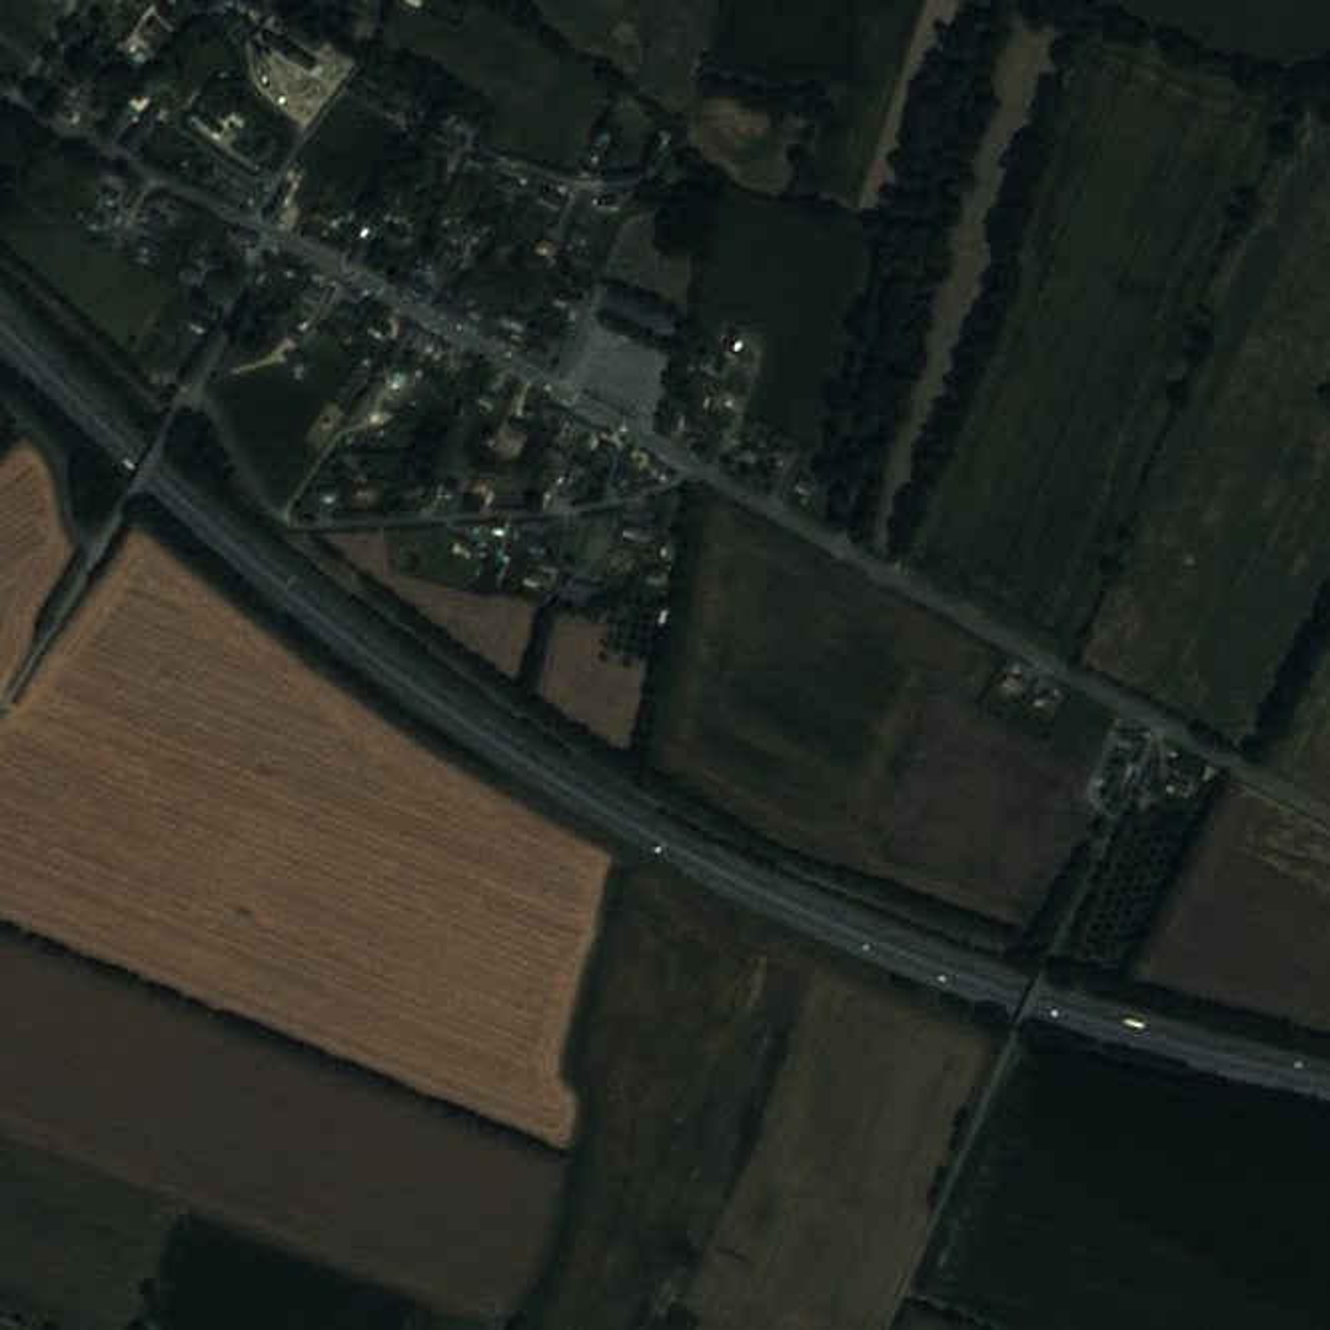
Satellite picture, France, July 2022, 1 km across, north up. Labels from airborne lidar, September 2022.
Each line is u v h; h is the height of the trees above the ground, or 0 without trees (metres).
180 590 0
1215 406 0
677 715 0
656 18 0
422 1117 0
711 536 0
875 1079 0
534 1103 0
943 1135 0
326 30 14
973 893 0
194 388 0
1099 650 0
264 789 0
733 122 0
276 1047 10
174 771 0
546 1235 0
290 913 0
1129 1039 0
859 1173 0
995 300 24
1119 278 0
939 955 0
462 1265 0
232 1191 0
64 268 0
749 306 0
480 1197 0
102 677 0
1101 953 7
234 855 0
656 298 10
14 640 0
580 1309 0
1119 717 0
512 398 0
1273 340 0
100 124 7
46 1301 0
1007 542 0
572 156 0
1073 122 0
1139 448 0
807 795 0
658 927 0
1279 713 22
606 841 0
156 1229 0
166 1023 0
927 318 28
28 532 0
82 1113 0
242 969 0
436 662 6
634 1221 0
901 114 0
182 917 0
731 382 0
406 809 0
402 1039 0
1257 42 0
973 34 26
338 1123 0
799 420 0
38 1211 0
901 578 0
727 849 10
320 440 0
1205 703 0
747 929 0
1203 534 0
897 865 0
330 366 0
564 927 0
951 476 0
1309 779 0
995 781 0
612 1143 0
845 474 27
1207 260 0
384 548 0
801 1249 0
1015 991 0
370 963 0
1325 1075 0
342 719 0
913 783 0
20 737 0
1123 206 0
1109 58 0
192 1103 0
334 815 0
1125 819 7
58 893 0
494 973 0
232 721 0
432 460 17
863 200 0
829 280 0
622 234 0
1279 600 0
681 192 15
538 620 11
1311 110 10
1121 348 0
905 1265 0
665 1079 0
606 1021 0
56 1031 0
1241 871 0
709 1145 0
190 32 7
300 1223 0
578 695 0
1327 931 0
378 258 15
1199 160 0
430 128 11
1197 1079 15
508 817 0
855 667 0
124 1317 0
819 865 10
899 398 30
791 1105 0
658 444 0
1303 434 0
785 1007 0
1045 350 0
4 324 0
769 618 0
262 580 0
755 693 0
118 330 0
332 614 0
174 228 0
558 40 13
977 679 0
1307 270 0
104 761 0
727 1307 0
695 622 0
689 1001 0
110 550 8
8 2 0
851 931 0
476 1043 0
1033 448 0
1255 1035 10
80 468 12
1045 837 0
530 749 0
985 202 0
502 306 0
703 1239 0
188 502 0
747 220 0
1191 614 0
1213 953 0
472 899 0
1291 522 0
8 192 24
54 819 0
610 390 0
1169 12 0
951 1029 0
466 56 0
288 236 0
